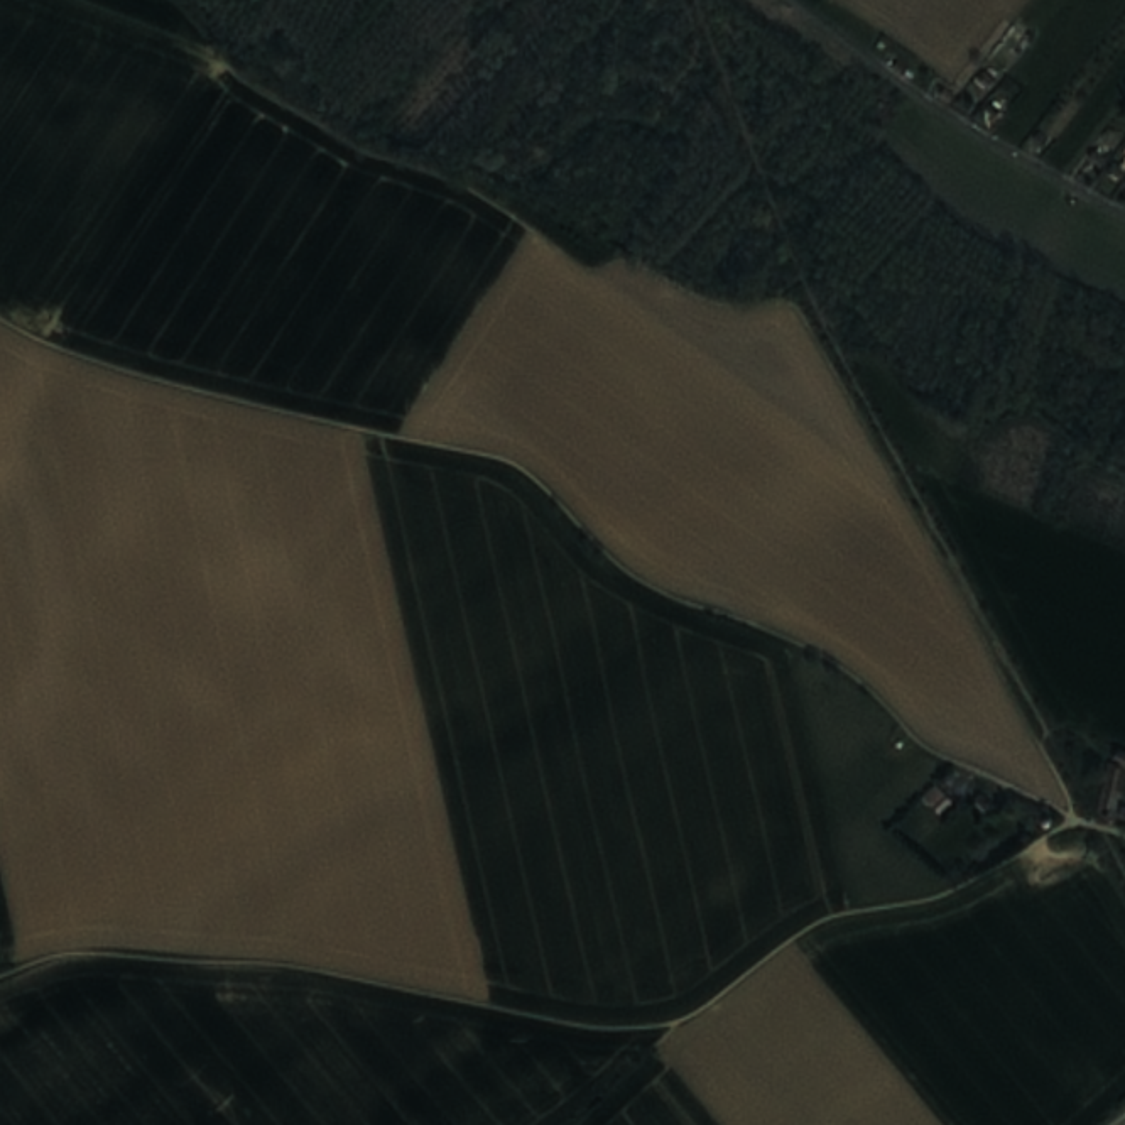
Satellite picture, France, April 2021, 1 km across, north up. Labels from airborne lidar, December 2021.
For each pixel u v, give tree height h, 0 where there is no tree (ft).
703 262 70
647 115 61
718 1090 0
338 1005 0
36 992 0
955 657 0
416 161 74
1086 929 0
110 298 0
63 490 0
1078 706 0
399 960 0
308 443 0
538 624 0
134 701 0
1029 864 0
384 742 0
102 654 0
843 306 75
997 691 0
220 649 0
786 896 0
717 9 67
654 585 0
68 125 0
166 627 0
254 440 0
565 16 70
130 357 0
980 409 92
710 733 0
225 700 0
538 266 0
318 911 0
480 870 0
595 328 0
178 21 0
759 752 0
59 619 0
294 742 0
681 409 0
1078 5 0
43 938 0
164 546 0
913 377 50
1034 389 58
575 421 0
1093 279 0
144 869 0
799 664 0
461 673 0
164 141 0
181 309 0
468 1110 0
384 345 0
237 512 0
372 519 0
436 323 0
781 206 72
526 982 0
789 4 0
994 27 0
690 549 0
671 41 31
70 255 0
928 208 85
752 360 0
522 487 0
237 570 0
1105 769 68
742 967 0
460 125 72
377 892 0
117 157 0
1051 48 0
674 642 0
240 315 0
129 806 0
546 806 0
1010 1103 0
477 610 0
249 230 0
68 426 0
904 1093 0
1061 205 0
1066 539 0
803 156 99
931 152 0
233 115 0
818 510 0
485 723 0
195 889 0
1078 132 0
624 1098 0
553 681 0
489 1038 0
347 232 0
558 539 0
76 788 0
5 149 0
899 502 0
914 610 0
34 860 0
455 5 94
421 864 0
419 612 0
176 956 0
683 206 113
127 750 0
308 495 0
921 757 0
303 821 0
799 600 0
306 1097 0
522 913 0
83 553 0
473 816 0
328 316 0
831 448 0
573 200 64
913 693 0
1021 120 0
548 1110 0
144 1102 0
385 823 0
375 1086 0
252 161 0
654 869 0
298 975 0
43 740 0
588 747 0
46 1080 0
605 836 0
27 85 0
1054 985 0
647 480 0
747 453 0
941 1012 0
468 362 0
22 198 0
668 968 0
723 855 0
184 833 0
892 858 0
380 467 0
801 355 0
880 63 0
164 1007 0
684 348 0
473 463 0
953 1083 0
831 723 0
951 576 0
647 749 0
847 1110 0
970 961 0
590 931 0
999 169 0
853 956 0
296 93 71
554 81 125
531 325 0
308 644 0
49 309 0
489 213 0
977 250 73
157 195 0
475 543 0
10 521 0
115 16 0
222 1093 0
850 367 23
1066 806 0
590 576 0
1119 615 0
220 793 0
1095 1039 0
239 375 0
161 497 0
